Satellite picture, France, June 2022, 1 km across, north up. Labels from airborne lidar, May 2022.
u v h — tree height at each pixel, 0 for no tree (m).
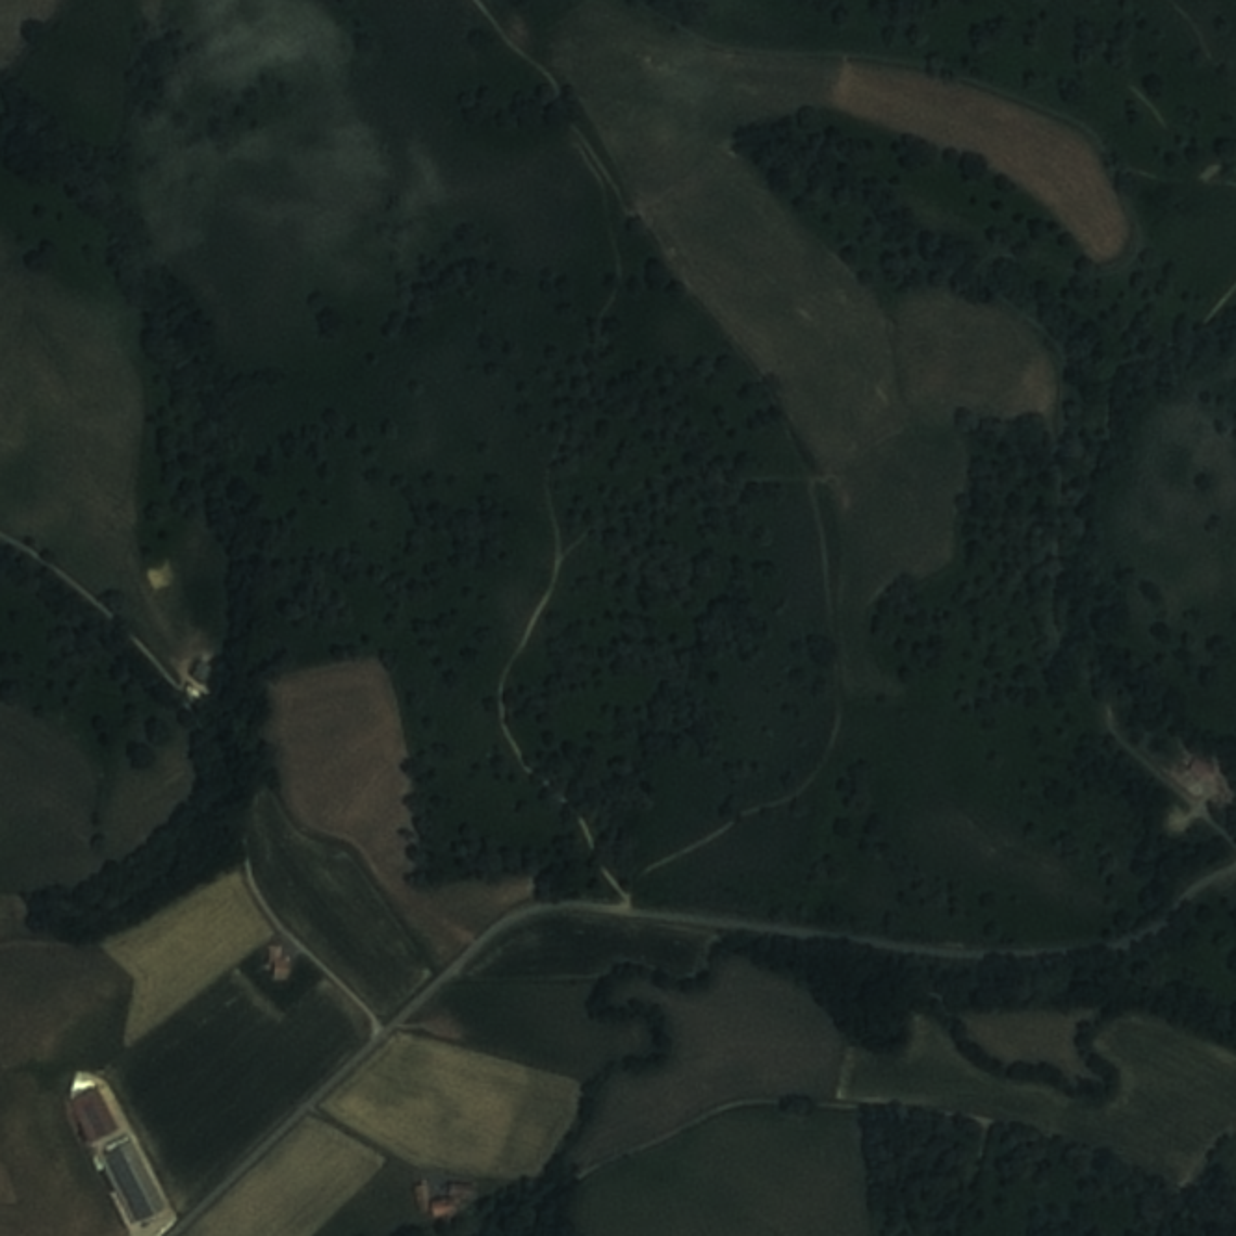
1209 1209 19
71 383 0
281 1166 0
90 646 13
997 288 8
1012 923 0
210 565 0
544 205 0
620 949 0
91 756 0
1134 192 12
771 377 9
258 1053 0
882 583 0
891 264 17
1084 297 20
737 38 0
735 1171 0
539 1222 15
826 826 0
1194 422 0
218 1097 0
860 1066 0
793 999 0
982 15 0
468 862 16
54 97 0
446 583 9
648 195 0
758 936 7
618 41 0
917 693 0
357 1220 0
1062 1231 15
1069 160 0
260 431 0
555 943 0
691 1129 0
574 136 0
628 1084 0
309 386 0
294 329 0
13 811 0
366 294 0
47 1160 0
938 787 0
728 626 14
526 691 11
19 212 0
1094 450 22
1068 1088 7
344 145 0
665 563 14
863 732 0
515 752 0
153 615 0
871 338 0
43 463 0
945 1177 15
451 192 0
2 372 0
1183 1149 0
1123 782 14
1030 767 0
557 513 0
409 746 0
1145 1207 17
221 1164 0
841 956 25
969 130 0
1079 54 12
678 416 16
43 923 20
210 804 10
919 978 22
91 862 0
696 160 0
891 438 0
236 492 17
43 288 0
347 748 0
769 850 0
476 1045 0
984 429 12
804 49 0
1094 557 16
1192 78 0
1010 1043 0
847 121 0
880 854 10
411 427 0
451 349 0
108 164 11
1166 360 18
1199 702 0
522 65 0
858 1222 0
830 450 0
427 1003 0
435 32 0
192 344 29
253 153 0
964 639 0
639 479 0
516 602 0
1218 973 0
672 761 0
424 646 10
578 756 17
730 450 0
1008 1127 10
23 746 0
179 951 0
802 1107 20
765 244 0
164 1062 0
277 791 13
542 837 0
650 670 17
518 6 12
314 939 0
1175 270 11
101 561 0
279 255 0
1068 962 18
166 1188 0
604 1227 0
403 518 0
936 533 0
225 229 0
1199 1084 0
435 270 14
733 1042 0
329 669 0
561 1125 0
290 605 16
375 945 0
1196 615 8
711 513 11
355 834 0
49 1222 0
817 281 0
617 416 12
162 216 0
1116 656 10
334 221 0
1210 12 0
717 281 0
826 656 13
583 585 11
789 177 13
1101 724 0
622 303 0
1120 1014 12
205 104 0
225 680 14
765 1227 0
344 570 15
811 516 0
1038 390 0
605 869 11
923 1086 0
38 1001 0
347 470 0
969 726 0
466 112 9
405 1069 0
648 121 0
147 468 0
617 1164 0
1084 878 0
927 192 0
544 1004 0
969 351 0
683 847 0
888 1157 16
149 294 21
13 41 0
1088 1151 13
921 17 11
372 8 0
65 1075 0
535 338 0
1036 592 18
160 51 21
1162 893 20
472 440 0
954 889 11
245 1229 0
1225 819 7
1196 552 0
